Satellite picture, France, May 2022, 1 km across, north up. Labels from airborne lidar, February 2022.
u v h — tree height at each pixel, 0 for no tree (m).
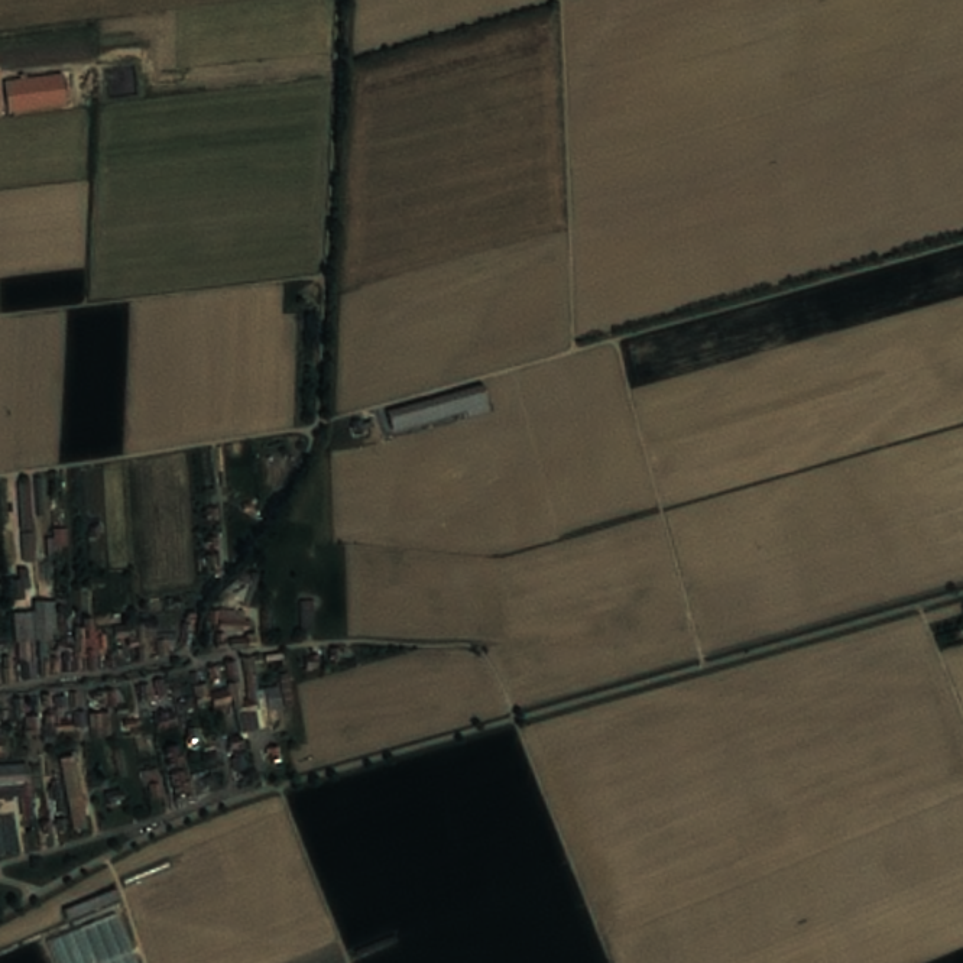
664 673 0
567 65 0
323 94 0
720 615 0
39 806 0
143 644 0
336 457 0
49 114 0
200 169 0
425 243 0
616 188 0
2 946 0
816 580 0
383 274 0
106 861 0
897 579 0
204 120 0
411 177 0
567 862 0
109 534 0
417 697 0
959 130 0
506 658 0
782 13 0
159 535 0
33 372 0
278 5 0
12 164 0
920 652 0
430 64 0
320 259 0
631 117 0
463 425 0
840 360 0
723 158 0
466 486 0
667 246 0
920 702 0
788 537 0
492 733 0
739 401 0
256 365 0
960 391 0
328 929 0
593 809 0
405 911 0
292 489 10
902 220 0
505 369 0
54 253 0
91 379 0
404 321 0
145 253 0
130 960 8
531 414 0
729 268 0
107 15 0
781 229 0
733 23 0
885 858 0
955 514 0
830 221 0
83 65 0
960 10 0
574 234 0
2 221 0
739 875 0
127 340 0
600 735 0
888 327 0
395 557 0
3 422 0
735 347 0
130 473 0
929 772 0
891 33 0
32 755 0
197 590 0
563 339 0
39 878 0
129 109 0
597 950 0
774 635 0
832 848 0
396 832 0
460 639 0
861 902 0
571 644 0
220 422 0
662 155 0
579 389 0
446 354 0
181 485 0
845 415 0
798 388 0
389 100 0
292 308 0
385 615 0
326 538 0
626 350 0
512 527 0
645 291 0
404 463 0
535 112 0
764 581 0
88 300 0
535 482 0
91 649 0
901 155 0
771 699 0
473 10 0
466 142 0
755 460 0
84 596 0
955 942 0
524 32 0
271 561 0
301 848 0
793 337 0
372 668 0
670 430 0
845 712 0
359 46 0
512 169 0
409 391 0
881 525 0
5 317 0
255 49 0
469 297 0
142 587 0
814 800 0
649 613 0
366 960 0
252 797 0
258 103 0
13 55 0
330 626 0
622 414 0
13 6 0
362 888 0
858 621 0
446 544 0
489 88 0
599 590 0
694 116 0
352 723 0
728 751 0
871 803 0
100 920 8
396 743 0
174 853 0
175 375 0
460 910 0
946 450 0
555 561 0
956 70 0
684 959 0
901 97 0
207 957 0
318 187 0
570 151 0
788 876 0
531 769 0
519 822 0
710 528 0
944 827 0
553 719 0
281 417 0
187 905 0
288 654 9
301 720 0
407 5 0
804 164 0
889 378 0
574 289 0
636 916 0
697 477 0
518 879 0
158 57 0
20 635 0
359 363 0
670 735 0
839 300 0
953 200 0
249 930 0
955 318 0
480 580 0
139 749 0
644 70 0
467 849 0
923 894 0
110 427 0
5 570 8
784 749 0
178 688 0
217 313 0
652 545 0
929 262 0
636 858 0
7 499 0
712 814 0
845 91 0
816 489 0
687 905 0
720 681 0
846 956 0
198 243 0
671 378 0
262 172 0
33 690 0
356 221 0
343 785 0
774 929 0
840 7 0
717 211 0
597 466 0
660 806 0
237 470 0
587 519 0
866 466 0
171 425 0
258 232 0
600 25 0
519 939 0
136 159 0
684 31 0
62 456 0
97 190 0
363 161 0
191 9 0
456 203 0
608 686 0
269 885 0
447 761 0
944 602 0
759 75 0
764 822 0
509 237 0
